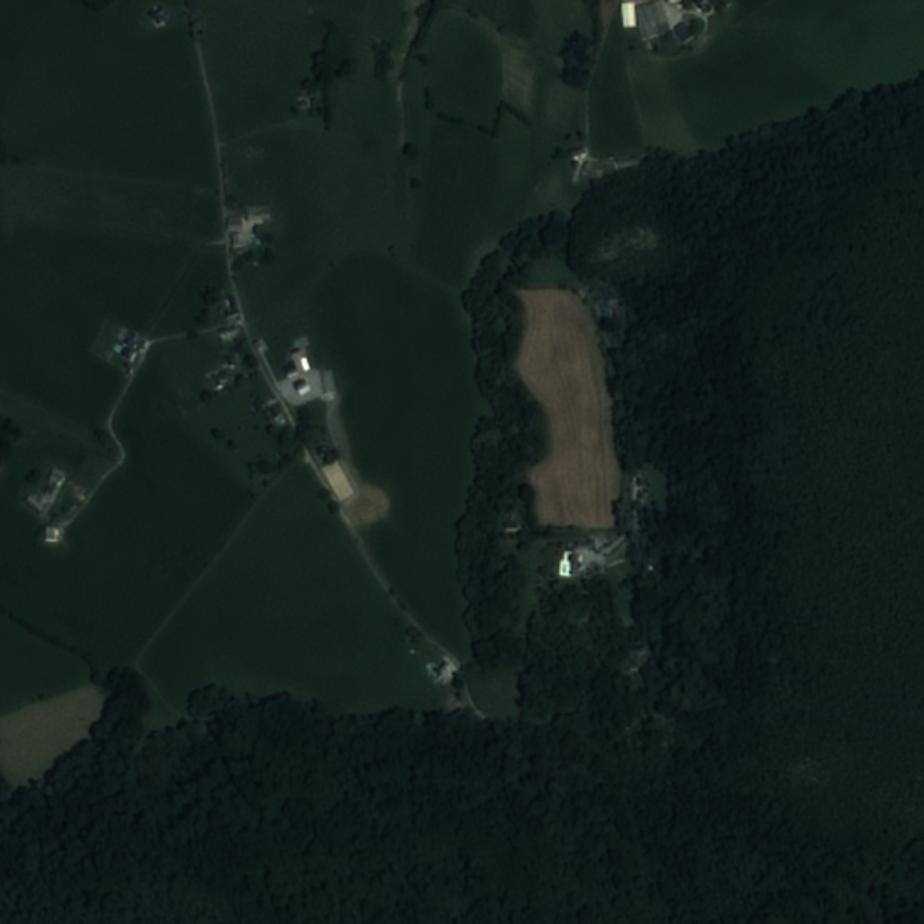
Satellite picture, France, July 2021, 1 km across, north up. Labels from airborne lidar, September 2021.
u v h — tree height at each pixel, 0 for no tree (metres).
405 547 0
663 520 23
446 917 9
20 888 20
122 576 0
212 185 0
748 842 10
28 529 0
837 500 6
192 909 8
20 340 0
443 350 0
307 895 18
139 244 0
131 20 0
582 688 23
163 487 0
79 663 0
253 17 0
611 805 21
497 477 35
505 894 12
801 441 10
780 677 6
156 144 0
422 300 0
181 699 0
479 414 0
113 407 0
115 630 0
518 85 0
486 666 20
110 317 0
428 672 0
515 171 0
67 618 0
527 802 23
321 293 0
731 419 14
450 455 0
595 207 7
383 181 0
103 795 27
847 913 15
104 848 23
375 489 0
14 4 0
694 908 14
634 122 0
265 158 0
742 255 13
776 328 10
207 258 0
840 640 8
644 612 26
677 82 0
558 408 0
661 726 14
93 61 0
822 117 24
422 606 0
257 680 0
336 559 0
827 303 13
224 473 0
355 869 10
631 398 22
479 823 12
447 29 0
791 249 16
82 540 0
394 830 11
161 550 0
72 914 12
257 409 7
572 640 15
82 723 0
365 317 0
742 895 10
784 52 0
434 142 0
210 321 8
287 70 0
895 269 6
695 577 29
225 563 0
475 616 24
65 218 0
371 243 0
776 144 14
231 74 0
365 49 0
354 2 0
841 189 21
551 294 0
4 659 0
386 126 0
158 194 0
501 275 17
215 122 0
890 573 5
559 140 0
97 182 0
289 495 0
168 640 0
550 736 18
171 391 0
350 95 0
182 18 0
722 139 0
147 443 0
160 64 0
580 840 15
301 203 0
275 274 0
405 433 0
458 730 18
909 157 12
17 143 0
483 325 17
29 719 0
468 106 0
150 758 34
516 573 21
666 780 17
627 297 14
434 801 9
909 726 6
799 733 7
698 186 9
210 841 18
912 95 28
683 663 27
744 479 17
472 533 22
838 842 9
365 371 0
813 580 6
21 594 0
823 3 0
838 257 12
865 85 0
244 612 0
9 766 0
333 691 0
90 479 0
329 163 0
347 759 6
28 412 0
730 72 0
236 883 12
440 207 0
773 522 7
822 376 9
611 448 0
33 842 23
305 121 0
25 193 0
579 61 24
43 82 0
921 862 26
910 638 8
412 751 8
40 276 0
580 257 11
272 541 0
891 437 5
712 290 19
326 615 0
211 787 22
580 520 0
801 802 8
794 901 28
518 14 0
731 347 21
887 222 7
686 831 12
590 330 0
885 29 0
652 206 8
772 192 18
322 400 0
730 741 16
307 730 24
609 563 0
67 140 0
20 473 0
